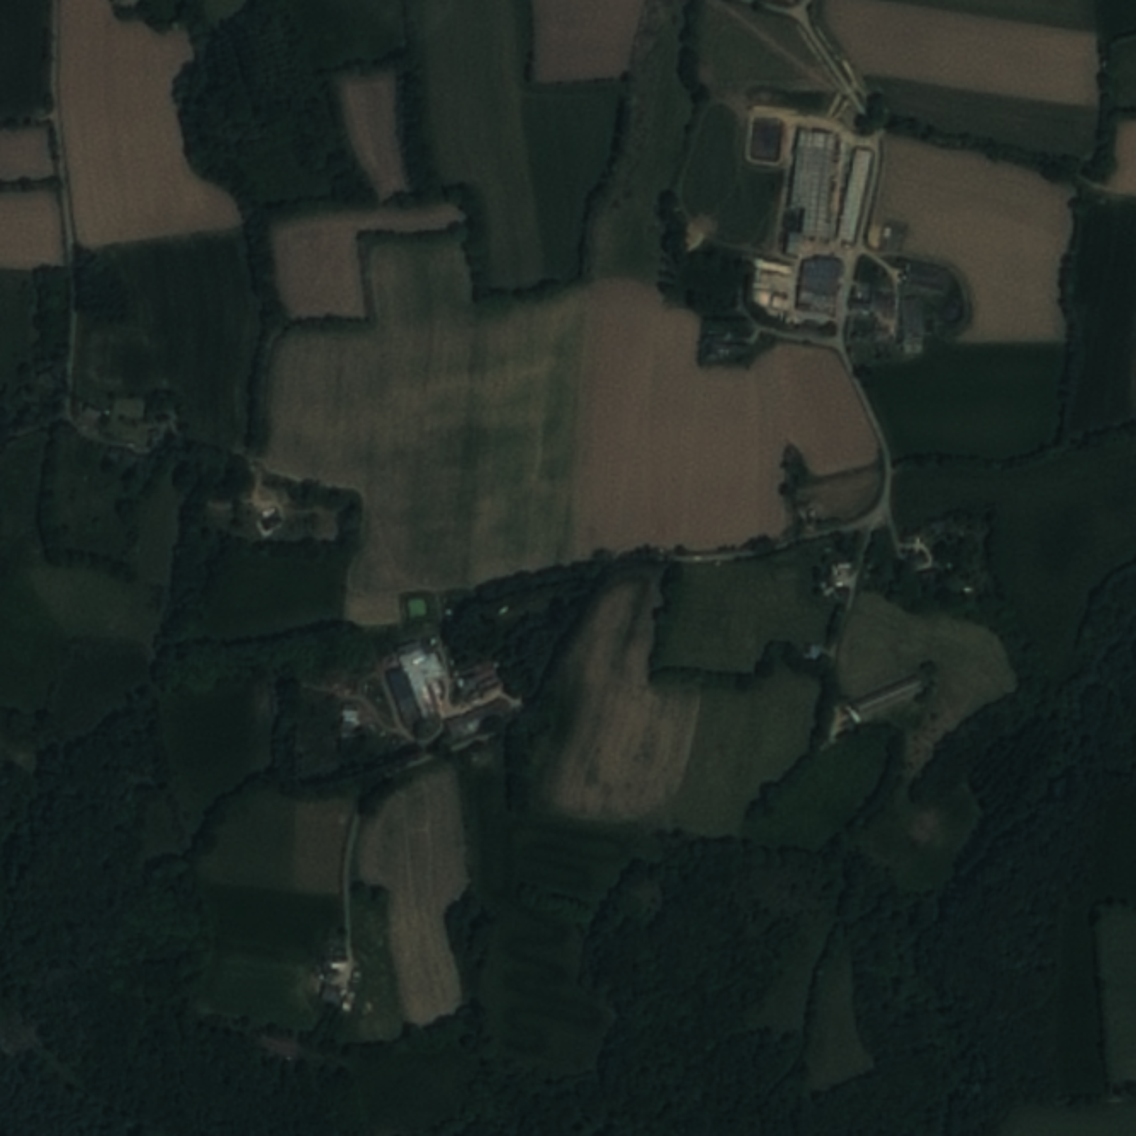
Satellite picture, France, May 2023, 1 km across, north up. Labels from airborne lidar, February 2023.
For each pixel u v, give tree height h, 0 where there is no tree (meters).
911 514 0
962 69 0
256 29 12
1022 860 21
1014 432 0
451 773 0
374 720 0
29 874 22
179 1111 19
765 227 0
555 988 0
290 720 13
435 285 0
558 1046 0
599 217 9
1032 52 0
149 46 0
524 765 15
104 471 13
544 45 0
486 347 0
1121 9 0
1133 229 0
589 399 0
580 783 0
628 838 0
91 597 0
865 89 0
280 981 0
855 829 10
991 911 21
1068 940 0
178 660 16
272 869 0
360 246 9
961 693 0
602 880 0
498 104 0
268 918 0
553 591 19
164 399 10
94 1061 8
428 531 0
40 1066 18
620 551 0
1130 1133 0
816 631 0
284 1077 15
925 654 0
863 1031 9
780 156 0
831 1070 0
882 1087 15
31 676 0
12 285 0
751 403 0
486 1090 17
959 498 0
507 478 0
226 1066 15
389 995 0
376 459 0
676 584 12
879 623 0
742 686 13
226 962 0
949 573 9
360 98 0
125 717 14
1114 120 13
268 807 0
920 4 0
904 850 0
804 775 8
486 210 0
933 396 0
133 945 18
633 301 0
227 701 0
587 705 0
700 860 12
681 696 0
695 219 0
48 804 17
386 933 0
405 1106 0
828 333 7
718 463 0
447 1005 0
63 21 0
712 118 0
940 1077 16
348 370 0
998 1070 19
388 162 0
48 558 9
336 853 0
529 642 21
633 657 0
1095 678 10
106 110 0
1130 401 0
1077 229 6
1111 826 0
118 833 19
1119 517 0
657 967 10
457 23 0
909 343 0
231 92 14
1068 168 8
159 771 17
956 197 0
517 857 0
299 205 8
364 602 0
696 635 0
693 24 9
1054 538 0
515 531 0
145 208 0
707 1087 17
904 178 0
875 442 0
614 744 0
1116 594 20
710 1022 14
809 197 0
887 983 10
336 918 0
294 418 0
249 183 7
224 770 0
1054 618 0
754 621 0
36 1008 17
